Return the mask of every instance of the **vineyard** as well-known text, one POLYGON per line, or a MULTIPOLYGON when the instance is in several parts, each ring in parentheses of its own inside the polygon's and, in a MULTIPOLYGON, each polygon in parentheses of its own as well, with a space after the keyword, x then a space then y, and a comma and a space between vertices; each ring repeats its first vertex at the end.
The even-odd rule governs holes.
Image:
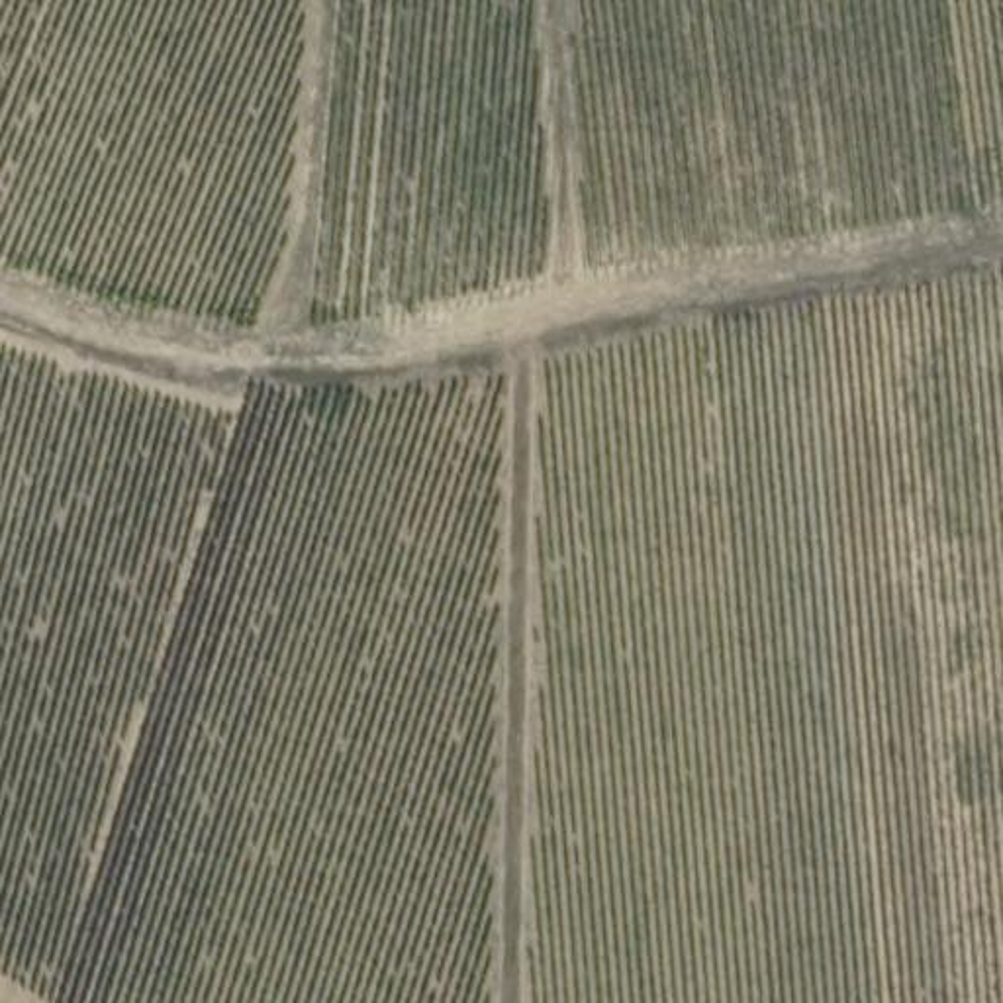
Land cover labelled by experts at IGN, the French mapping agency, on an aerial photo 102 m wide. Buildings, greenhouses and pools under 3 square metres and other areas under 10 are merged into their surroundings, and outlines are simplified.
POLYGON ((298 67, 306 55, 306 0, 0 0, 0 259, 16 270, 47 274, 55 286, 94 294, 106 317, 145 321, 149 310, 176 310, 255 325, 286 247, 298 133, 294 102, 302 94, 298 67))
POLYGON ((494 290, 505 278, 537 278, 549 259, 549 223, 556 227, 584 219, 584 227, 603 227, 619 235, 635 212, 643 219, 639 239, 662 247, 744 247, 854 231, 917 215, 960 215, 964 243, 882 255, 866 270, 803 274, 795 282, 748 290, 737 302, 666 298, 643 313, 588 317, 533 337, 474 345, 466 353, 439 353, 431 360, 404 360, 388 368, 255 368, 239 411, 208 411, 200 404, 149 396, 106 376, 59 372, 51 360, 0 349, 0 1003, 1003 1003, 1003 0, 325 0, 325 20, 337 20, 337 90, 329 98, 329 141, 321 168, 321 219, 329 231, 321 243, 321 266, 313 282, 337 290, 333 306, 310 302, 310 325, 357 321, 360 282, 380 278, 380 270, 392 270, 392 298, 404 310, 494 290))

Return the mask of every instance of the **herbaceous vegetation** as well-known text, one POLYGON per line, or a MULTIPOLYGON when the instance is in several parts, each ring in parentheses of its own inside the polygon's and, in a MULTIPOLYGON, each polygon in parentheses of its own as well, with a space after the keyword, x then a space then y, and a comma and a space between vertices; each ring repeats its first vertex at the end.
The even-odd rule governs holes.
POLYGON ((494 290, 404 310, 392 298, 392 270, 380 270, 380 278, 360 282, 357 321, 310 325, 310 302, 333 306, 337 290, 313 282, 321 266, 321 243, 329 231, 321 219, 321 168, 329 141, 329 98, 337 90, 337 20, 325 20, 325 0, 306 0, 306 55, 298 67, 302 94, 294 102, 298 133, 286 247, 255 325, 176 310, 149 310, 145 321, 106 317, 94 294, 55 286, 47 274, 16 270, 0 259, 0 349, 51 360, 59 372, 106 376, 149 396, 200 404, 208 411, 239 411, 255 368, 388 368, 404 360, 431 360, 439 353, 466 353, 474 345, 533 337, 588 317, 643 313, 666 298, 737 302, 748 290, 795 282, 803 274, 866 270, 882 255, 964 243, 960 215, 917 215, 854 231, 744 247, 662 247, 639 239, 643 219, 635 212, 619 235, 603 227, 584 227, 584 219, 556 227, 549 223, 549 259, 537 278, 505 278, 494 290))

